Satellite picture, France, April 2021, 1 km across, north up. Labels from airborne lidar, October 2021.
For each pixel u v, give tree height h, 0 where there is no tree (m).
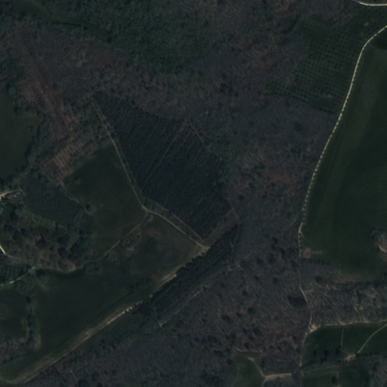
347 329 0
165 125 13
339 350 12
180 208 11
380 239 14
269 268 11
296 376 12
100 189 0
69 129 8
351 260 0
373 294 17
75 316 0
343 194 0
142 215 0
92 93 8
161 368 17
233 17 12
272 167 7
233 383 16
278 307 14
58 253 0
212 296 13
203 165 11
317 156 13
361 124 0
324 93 15
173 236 8
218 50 16
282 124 19
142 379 19
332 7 12
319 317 15
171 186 13
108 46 14
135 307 7
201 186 10
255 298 16
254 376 0
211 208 10
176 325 8
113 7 20
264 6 11
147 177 14
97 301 0
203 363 17
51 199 12
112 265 10
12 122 0
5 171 0
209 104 10
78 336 0
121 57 11
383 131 0
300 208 12
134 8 18
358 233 0
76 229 11
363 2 12
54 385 14
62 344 0
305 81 8
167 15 19
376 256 0
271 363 7
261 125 15
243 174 17
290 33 17
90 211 14
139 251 9
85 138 18
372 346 0
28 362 0
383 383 17
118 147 8
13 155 0
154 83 22
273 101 15
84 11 23
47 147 20
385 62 0
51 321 0
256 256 12
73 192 0
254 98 5
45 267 20
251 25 12
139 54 19
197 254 0
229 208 12
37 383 15
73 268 0
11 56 11
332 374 0
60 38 8
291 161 14
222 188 12
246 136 15
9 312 0
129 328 9
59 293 0
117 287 0
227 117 18
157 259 8
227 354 16
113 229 0
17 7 0
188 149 14
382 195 0
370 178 0
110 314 0
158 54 25
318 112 15
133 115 10
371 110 0
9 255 15
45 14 0
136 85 8
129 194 0
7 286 20
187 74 25
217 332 10
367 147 0
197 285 10
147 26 14
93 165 0
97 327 0
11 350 6
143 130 13
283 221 11
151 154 13
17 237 24
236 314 10
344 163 0
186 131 10
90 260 13
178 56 25
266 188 6
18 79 7
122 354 10
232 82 6
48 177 14
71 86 7
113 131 12
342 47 8
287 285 15
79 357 6
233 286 14
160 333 13
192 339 12
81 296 0
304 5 15
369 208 0
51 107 8
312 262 18
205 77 17
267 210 12
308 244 0
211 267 10
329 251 0
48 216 13
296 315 17
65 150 15
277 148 21
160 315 10
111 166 0
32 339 16
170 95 15
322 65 7
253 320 15
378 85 0
